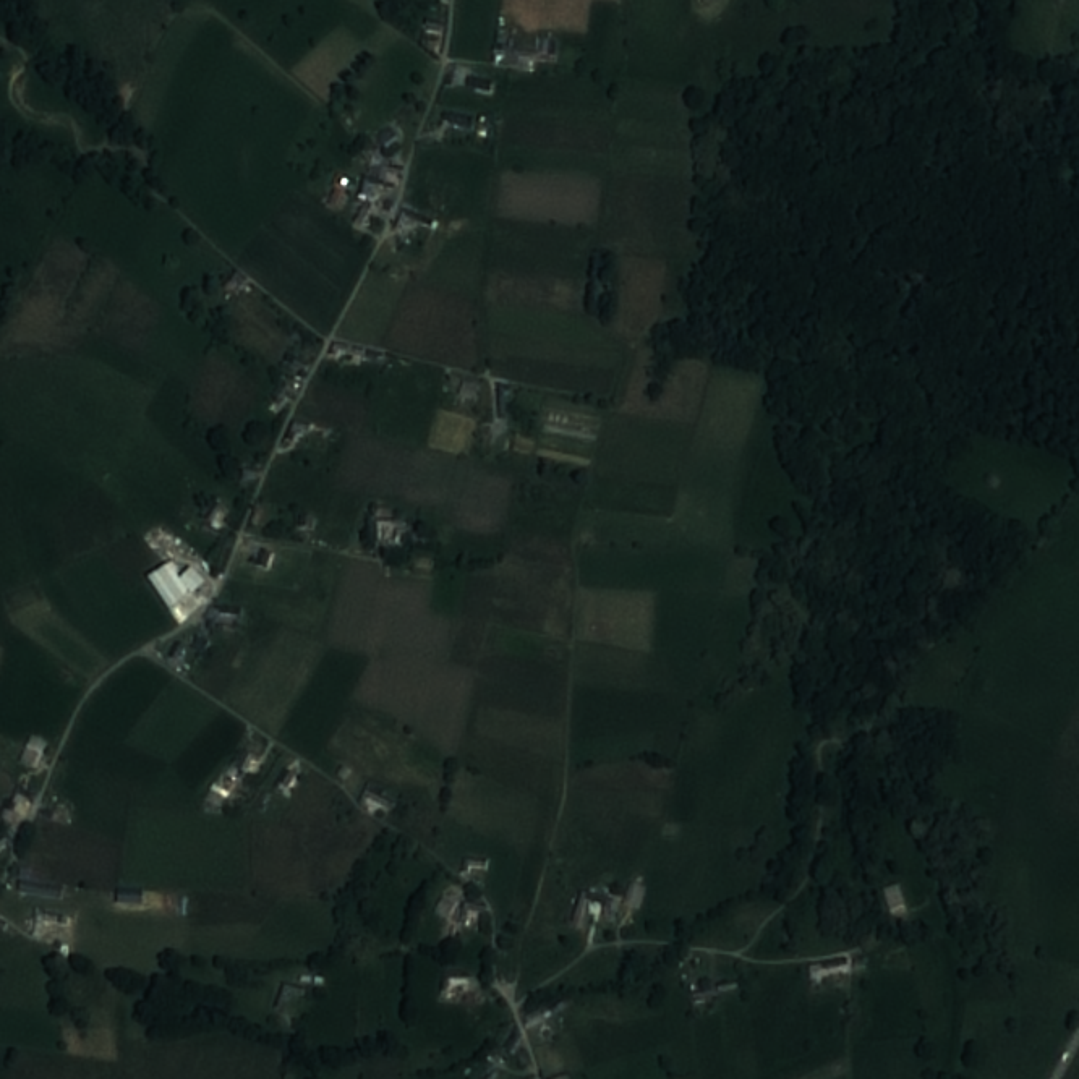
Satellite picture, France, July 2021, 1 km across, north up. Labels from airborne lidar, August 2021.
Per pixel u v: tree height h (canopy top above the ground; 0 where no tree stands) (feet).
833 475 80
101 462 0
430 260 0
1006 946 21
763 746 0
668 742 0
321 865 0
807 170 86
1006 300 99
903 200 105
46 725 0
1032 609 0
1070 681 0
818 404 94
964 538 70
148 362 0
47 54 21
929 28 68
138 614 0
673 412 0
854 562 72
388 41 0
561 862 0
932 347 105
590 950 0
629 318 0
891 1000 0
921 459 106
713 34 0
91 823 0
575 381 0
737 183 53
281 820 0
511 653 0
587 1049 0
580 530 0
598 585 0
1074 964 0
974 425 82
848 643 81
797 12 0
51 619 0
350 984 0
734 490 0
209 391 0
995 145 63
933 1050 60
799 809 73
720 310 73
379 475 0
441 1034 0
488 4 0
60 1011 63
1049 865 0
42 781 0
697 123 52
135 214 0
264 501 23
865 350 63
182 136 0
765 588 43
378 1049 71
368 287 0
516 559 0
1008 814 0
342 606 0
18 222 0
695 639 0
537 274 0
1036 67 74
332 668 0
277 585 0
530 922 0
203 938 0
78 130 0
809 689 76
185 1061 0
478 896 46
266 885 0
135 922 0
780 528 68
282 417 26
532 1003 36
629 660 0
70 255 0
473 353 0
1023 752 0
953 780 0
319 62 0
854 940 42
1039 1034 0
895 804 60
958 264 97
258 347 0
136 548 0
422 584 0
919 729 63
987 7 98
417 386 0
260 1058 0
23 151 52
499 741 0
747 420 0
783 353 57
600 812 0
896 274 89
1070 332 89
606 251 32
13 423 0
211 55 0
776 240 86
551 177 0
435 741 0
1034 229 97
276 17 0
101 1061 0
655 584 0
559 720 0
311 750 0
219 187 0
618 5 0
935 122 94
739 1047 0
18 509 0
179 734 0
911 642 67
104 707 0
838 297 101
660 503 0
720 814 0
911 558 69
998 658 0
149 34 0
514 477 0
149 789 0
